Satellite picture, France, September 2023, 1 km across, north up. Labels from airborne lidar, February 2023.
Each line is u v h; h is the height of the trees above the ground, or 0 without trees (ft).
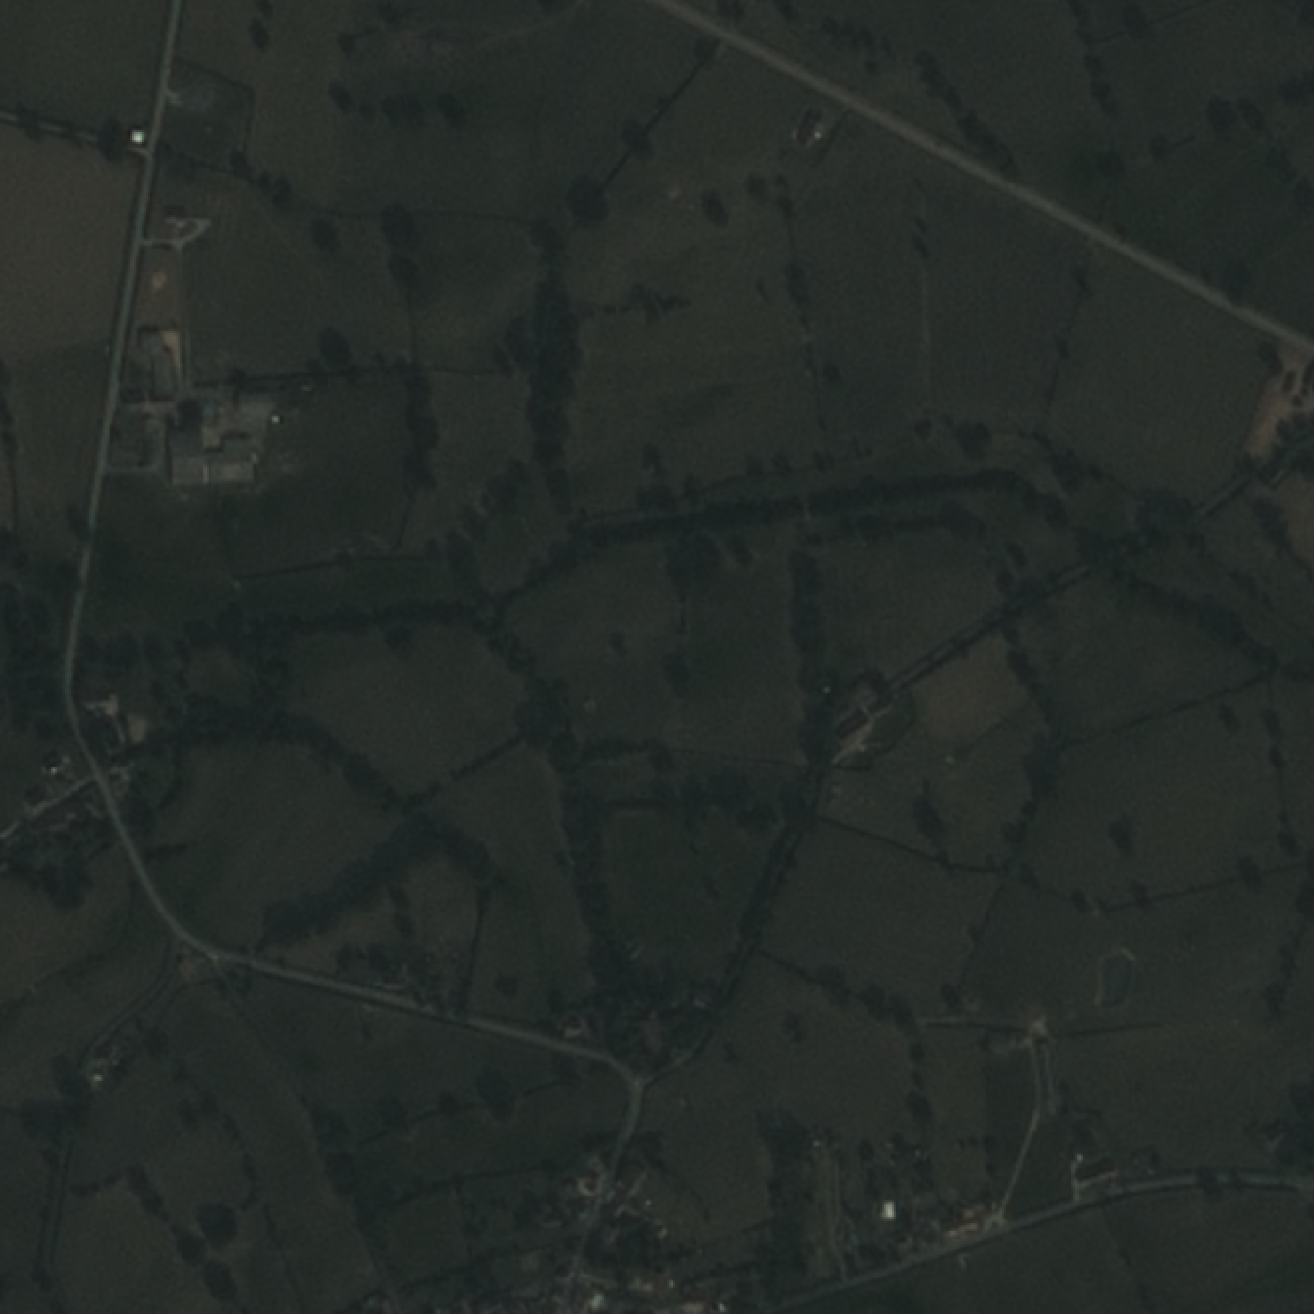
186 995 0
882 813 0
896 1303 0
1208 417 0
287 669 41
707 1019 43
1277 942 0
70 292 0
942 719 0
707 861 0
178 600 0
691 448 0
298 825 0
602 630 0
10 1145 0
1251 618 0
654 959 0
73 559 0
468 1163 0
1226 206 0
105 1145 0
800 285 53
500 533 0
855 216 0
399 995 28
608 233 0
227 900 0
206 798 0
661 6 0
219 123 0
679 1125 0
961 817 0
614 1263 25
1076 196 0
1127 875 0
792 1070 0
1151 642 0
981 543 38
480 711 0
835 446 0
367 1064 0
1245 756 0
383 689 0
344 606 0
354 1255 0
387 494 0
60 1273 0
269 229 0
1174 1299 0
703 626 0
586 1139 0
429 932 0
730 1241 0
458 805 0
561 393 52
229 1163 0
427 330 0
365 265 0
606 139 0
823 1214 0
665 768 63
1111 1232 0
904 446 0
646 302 57
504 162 0
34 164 0
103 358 0
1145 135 0
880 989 0
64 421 0
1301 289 0
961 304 0
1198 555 53
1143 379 0
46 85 0
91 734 41
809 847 0
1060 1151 0
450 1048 0
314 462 0
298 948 0
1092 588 0
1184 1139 0
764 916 56
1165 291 0
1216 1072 0
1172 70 0
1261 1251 0
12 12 0
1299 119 0
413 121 47
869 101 0
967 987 0
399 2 0
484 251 0
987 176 0
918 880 0
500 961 0
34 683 33
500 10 0
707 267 0
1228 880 0
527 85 0
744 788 49
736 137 0
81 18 0
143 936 0
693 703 0
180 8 0
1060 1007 0
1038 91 0
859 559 0
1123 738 0
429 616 38
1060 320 0
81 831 32
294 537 0
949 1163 0
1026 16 0
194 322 0
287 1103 0
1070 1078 0
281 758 0
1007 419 0
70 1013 0
